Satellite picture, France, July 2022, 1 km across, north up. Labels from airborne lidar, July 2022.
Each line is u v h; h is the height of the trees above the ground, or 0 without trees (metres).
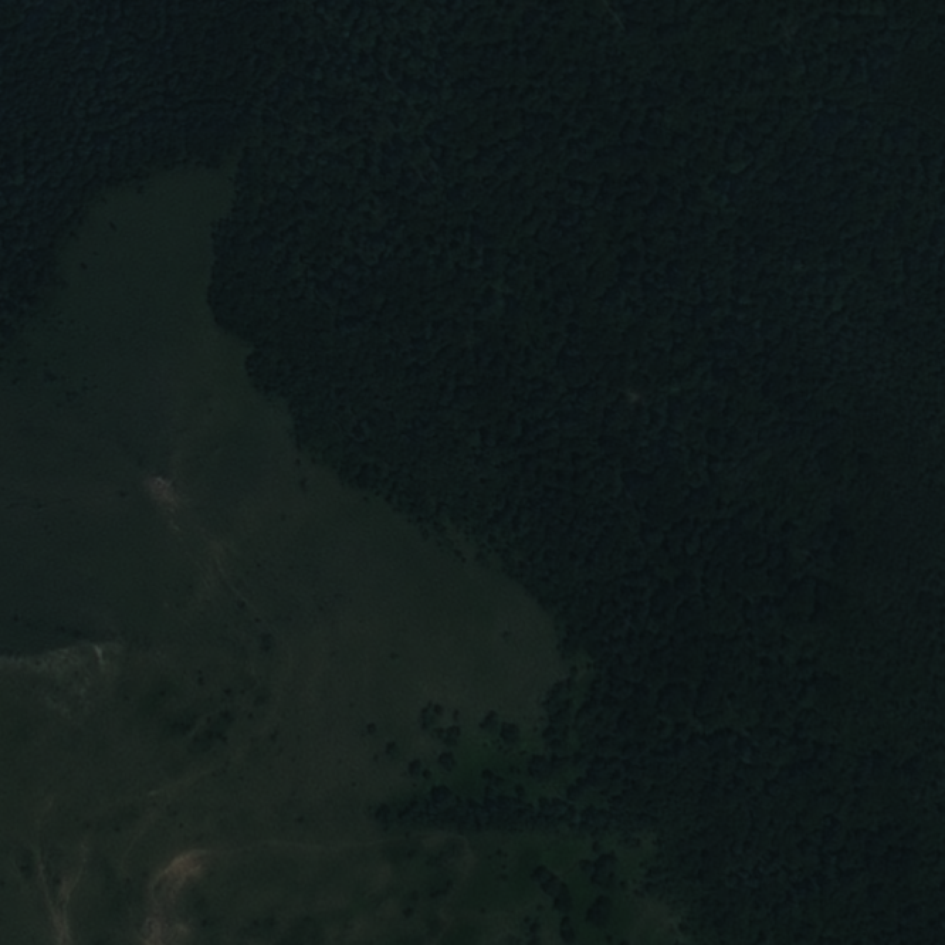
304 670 0
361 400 27
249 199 13
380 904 0
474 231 24
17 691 0
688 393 6
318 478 0
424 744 0
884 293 10
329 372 26
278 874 0
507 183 33
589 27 14
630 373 34
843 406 12
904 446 10
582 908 0
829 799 31
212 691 0
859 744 10
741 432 23
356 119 32
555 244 35
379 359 30
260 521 0
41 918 0
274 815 0
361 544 0
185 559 0
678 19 16
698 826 16
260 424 0
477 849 0
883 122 7
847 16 23
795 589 24
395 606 0
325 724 0
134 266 0
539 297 11
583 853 0
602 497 8
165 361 0
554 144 36
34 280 22
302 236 33
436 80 36
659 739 8
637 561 27
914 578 16
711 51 9
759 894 32
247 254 25
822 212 33
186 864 0
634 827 14
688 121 10
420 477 22
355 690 0
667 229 34
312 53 20
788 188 30
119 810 0
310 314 34
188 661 0
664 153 23
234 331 13
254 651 0
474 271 18
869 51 10
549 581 19
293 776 0
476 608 0
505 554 11
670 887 11
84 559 0
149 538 0
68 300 0
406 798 0
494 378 27
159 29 22
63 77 24
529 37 25
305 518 0
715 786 26
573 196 29
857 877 37
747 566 28
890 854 21
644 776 26
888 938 27
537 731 6
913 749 9
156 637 0
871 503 16
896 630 9
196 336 0
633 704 25
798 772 34
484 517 22
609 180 32
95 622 0
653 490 32
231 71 20
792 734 8
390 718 0
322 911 0
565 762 20
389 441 26
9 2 34
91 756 0
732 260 27
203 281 0
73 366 0
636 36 29
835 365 15
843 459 7
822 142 29
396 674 0
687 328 30
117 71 33
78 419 0
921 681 11
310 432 15
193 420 0
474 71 9
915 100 9
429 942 0
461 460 32
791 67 21
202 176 0
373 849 0
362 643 0
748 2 21
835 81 31
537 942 11
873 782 31
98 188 14
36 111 24
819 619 23
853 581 14
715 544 25
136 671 0
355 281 33
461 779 0
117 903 0
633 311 37
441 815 14
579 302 31
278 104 25
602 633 29
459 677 0
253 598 0
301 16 7
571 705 24
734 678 30
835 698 8
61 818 0
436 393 32
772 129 26
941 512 18
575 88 21
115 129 27
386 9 28
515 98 29
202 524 0
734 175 8
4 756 0
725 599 29
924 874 8
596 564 32
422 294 23
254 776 0
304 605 0
